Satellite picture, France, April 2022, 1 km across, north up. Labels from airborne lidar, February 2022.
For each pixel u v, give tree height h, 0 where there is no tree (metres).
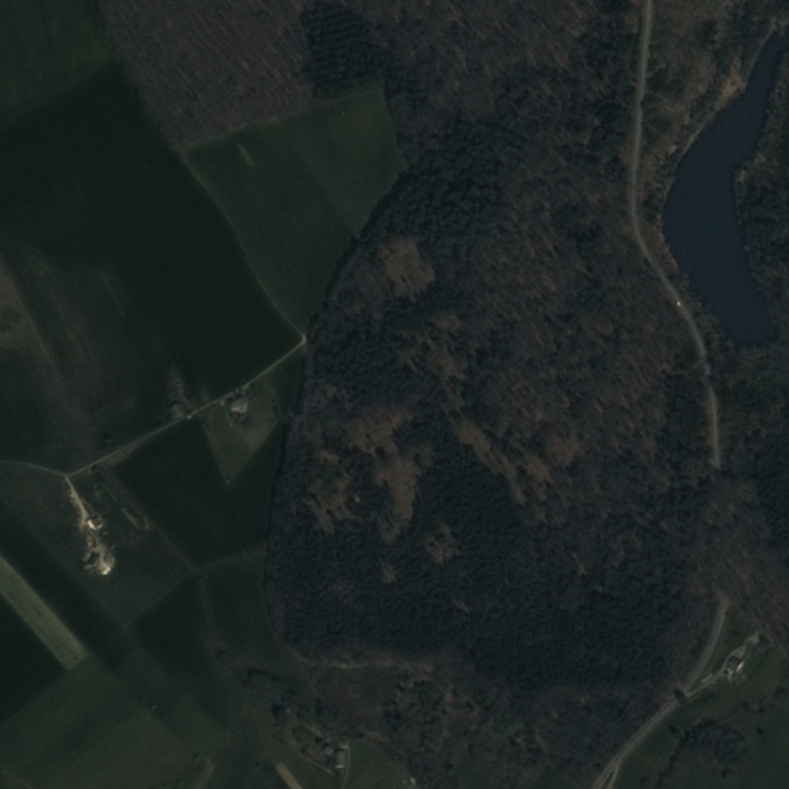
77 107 0
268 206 0
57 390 0
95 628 0
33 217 0
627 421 24
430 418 23
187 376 0
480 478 29
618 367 31
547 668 22
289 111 30
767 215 18
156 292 0
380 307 27
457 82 30
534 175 30
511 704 27
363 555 23
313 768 0
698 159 0
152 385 0
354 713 0
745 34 13
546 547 27
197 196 0
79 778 0
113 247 0
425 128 33
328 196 0
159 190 0
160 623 0
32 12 0
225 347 0
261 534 0
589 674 23
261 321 0
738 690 0
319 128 0
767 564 33
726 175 0
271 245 0
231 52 32
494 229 29
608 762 26
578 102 9
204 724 0
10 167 0
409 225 20
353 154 0
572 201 29
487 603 25
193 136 29
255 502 0
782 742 0
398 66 26
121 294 0
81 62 0
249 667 0
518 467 30
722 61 11
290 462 21
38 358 0
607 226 28
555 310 29
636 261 30
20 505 0
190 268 0
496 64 32
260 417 0
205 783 0
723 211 0
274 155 0
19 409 0
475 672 26
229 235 0
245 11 33
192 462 0
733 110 0
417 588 24
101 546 0
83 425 0
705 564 31
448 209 21
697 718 0
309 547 19
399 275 0
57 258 0
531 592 22
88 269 0
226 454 0
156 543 0
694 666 23
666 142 0
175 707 0
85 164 0
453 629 30
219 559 0
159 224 0
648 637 26
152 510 0
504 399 27
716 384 18
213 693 0
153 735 0
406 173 0
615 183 33
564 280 33
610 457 26
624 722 29
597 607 22
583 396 22
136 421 0
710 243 0
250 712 0
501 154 28
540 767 21
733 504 31
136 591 0
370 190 0
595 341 25
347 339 18
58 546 0
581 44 7
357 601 17
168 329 0
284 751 0
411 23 29
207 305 0
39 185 0
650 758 0
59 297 0
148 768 0
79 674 0
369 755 0
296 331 0
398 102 31
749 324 0
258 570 0
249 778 0
